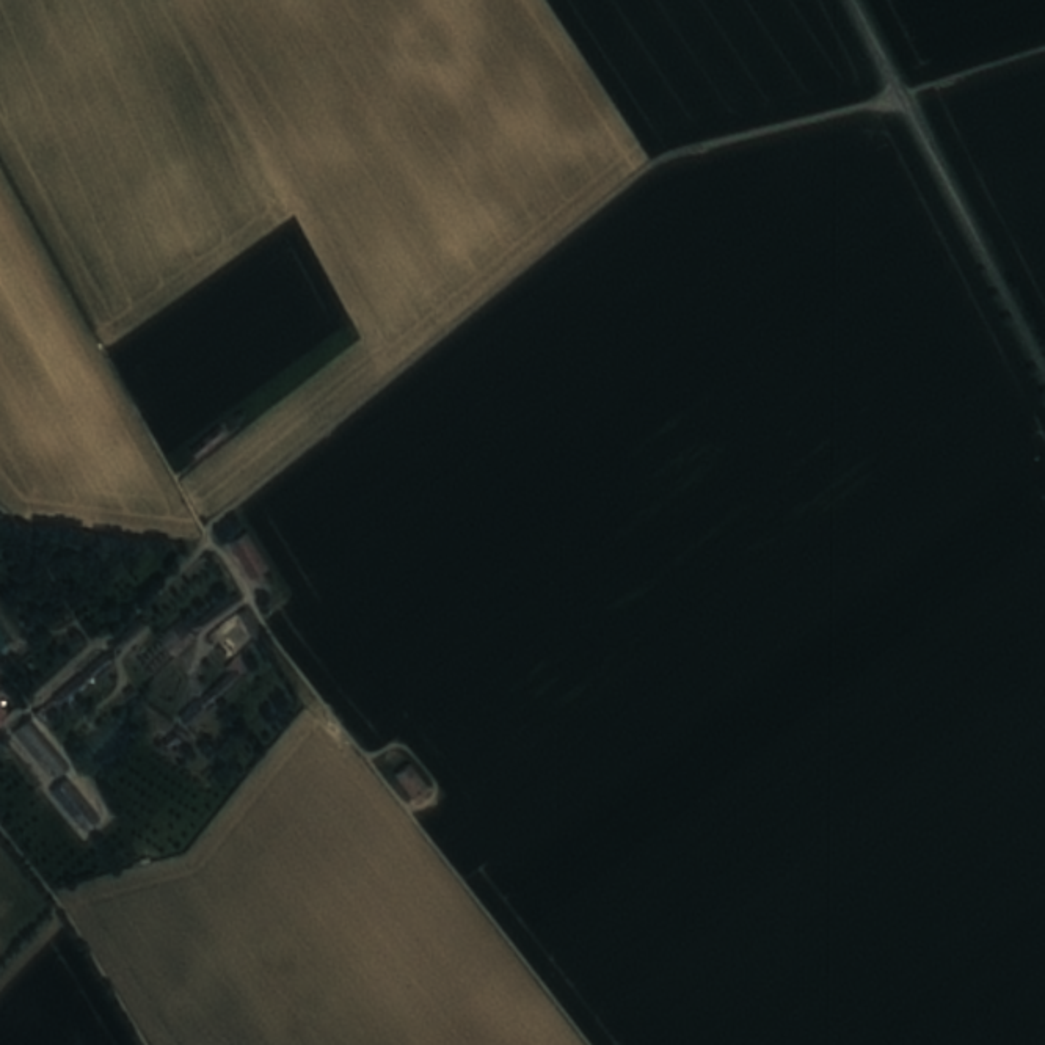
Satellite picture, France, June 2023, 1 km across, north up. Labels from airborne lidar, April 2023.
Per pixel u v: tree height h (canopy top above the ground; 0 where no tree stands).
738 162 0
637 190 0
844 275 0
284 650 0
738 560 0
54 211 0
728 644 0
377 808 0
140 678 0
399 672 0
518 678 0
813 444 0
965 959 0
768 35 0
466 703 0
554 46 0
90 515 0
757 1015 0
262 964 0
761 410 0
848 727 0
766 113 0
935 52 0
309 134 0
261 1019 0
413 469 0
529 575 0
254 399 0
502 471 0
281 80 0
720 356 0
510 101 0
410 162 0
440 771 0
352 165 0
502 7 0
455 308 0
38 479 0
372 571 0
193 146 0
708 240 0
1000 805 0
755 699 0
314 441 0
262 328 0
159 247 0
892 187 0
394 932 0
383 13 0
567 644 0
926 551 0
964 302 0
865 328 0
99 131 0
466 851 0
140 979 0
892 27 0
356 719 0
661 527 0
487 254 0
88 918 0
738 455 0
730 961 0
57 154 0
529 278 0
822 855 0
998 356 0
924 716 0
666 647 0
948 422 0
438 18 0
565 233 0
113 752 16
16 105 0
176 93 0
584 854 0
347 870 0
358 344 0
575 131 0
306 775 0
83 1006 0
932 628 0
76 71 0
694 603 0
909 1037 0
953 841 0
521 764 0
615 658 0
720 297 0
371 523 0
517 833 0
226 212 0
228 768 14
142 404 0
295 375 0
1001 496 0
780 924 0
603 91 0
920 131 0
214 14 0
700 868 0
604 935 0
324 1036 0
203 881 0
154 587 15
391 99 0
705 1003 0
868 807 0
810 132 0
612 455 0
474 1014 0
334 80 0
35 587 14
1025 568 0
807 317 0
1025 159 0
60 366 0
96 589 8
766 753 0
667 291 0
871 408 0
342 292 0
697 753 0
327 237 0
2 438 0
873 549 0
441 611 0
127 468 0
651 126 0
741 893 0
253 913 0
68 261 0
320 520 0
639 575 0
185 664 0
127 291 0
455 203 0
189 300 0
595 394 0
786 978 0
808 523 0
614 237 0
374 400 0
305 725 0
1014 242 0
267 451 0
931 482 0
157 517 0
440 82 0
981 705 0
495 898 0
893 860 0
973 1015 0
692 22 0
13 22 0
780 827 0
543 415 0
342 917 0
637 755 0
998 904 0
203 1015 0
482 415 0
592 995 0
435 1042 0
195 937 0
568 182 0
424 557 0
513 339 0
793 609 0
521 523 0
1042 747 0
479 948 0
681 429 0
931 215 0
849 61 0
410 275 0
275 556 0
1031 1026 0
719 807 0
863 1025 0
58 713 12
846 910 0
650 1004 0
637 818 0
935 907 0
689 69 0
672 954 0
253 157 0
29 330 0
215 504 0
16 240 0
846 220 0
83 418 0
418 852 0
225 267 0
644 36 0
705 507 0
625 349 0
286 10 0
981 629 0
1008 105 0
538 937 0
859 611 0
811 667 0
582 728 0
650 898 0
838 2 0
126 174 0
